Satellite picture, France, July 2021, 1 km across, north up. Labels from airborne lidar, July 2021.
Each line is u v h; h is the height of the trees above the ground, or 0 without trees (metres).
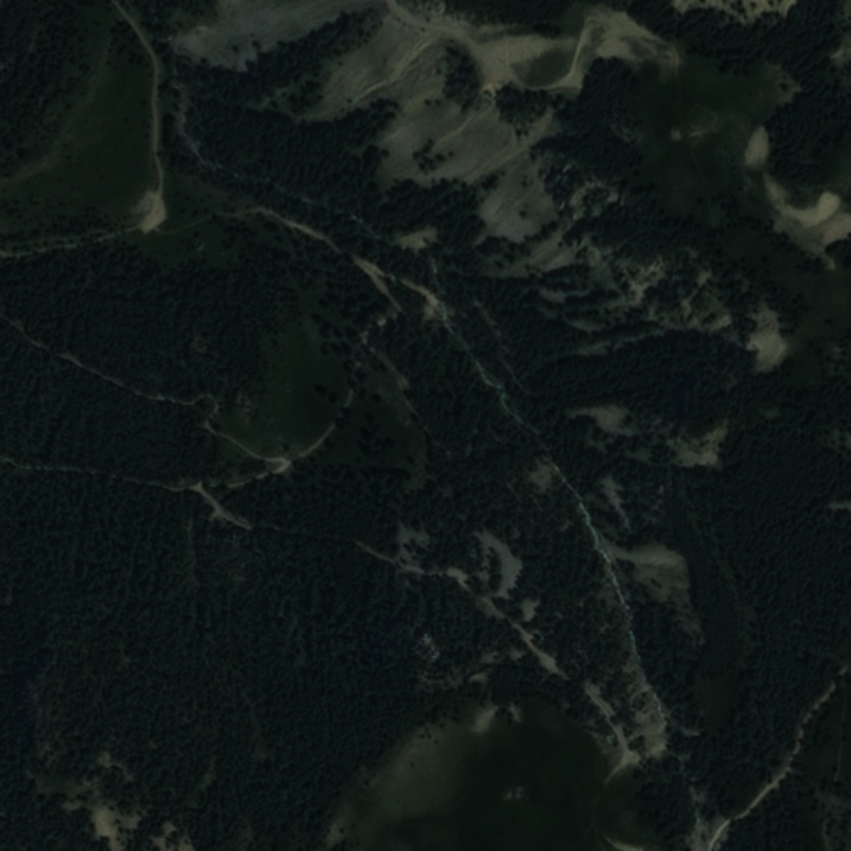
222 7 0
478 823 0
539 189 0
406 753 0
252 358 8
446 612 6
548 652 11
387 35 0
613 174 12
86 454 18
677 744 12
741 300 14
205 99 14
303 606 10
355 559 17
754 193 0
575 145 14
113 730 10
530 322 18
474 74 11
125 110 0
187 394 20
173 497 15
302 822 13
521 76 0
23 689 18
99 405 19
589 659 7
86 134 0
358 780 0
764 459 18
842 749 0
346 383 0
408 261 18
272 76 19
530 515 16
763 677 16
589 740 0
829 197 0
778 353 0
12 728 8
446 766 0
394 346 22
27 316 16
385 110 13
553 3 17
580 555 15
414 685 11
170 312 15
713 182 0
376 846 0
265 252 6
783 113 15
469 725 0
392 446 19
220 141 21
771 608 19
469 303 25
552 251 0
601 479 8
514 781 0
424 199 16
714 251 9
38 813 10
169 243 0
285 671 14
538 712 0
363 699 17
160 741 15
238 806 12
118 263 14
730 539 17
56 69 15
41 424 18
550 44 0
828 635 10
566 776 0
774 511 18
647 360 18
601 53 0
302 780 14
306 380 0
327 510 17
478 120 0
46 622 9
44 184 0
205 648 18
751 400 17
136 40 8
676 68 0
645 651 18
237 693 7
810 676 18
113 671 10
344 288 15
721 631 19
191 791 16
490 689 8
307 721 15
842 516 15
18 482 17
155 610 18
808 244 0
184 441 14
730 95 0
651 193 9
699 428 13
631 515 11
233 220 7
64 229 7
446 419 23
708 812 9
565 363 17
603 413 0
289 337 0
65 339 13
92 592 15
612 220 12
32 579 18
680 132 0
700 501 16
